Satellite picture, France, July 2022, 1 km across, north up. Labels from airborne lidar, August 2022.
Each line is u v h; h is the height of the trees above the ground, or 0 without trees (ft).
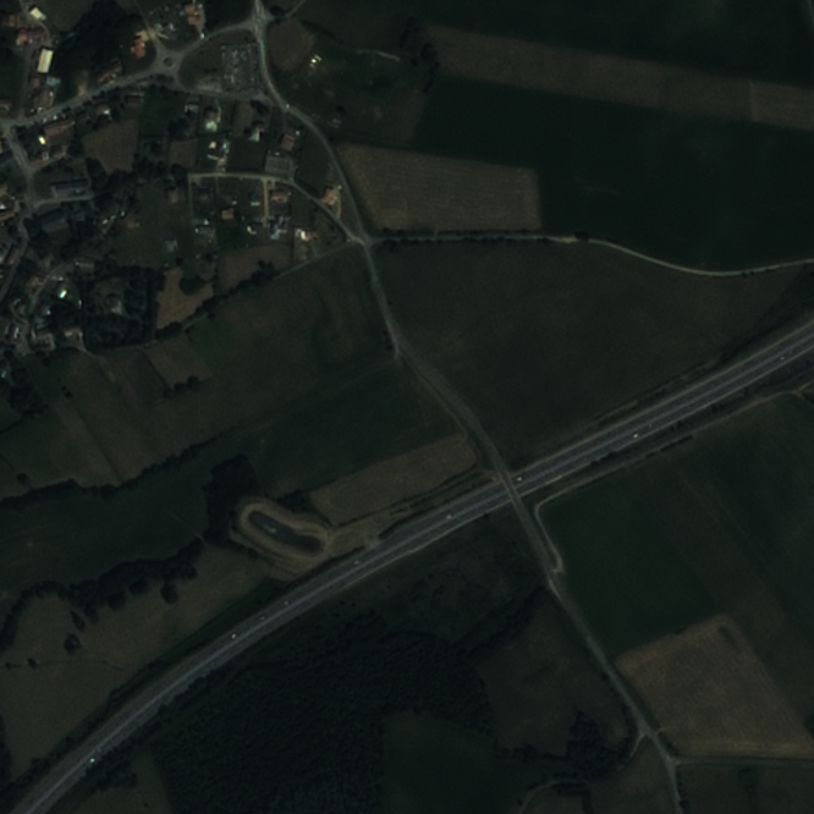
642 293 0
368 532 0
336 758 27
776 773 0
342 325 0
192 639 0
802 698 0
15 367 41
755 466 0
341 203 0
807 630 0
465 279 0
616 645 0
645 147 0
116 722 0
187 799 22
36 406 34
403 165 0
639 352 0
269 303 0
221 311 0
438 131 0
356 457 0
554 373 0
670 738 0
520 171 0
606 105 0
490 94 0
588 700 0
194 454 63
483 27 0
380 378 0
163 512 0
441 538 0
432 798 0
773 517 0
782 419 0
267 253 0
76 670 0
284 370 0
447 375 0
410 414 0
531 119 0
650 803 0
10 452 0
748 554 0
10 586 0
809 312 0
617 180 0
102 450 0
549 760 32
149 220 0
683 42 0
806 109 0
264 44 0
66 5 0
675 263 0
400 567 0
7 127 0
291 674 33
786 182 0
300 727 24
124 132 0
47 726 0
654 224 0
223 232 0
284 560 0
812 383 0
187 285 39
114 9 36
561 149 0
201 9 0
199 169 0
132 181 24
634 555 0
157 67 0
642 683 0
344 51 0
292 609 0
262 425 0
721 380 0
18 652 0
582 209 0
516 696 0
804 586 0
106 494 65
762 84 0
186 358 0
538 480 0
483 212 0
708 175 0
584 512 0
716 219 0
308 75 0
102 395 0
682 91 0
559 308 0
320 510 0
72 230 23
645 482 0
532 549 0
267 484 0
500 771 0
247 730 21
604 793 0
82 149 18
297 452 0
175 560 36
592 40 0
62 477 0
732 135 0
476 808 0
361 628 30
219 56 0
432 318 0
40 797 0
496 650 31
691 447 0
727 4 0
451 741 0
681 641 0
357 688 27
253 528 0
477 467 0
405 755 0
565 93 0
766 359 0
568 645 0
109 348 31
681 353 0
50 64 30
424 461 0
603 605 0
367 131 0
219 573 0
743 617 0
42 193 0
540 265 0
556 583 0
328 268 0
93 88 0
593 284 0
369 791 31
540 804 0
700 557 0
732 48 0
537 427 0
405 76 0
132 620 0
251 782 22
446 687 26
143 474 31
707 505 0
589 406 0
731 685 0
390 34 0
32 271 23
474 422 0
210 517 34
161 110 0
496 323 0
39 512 0
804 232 0
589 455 0
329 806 64
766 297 0
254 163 0
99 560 0
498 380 0
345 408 0
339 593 0
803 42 0
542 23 0
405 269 0
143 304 64
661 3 0
